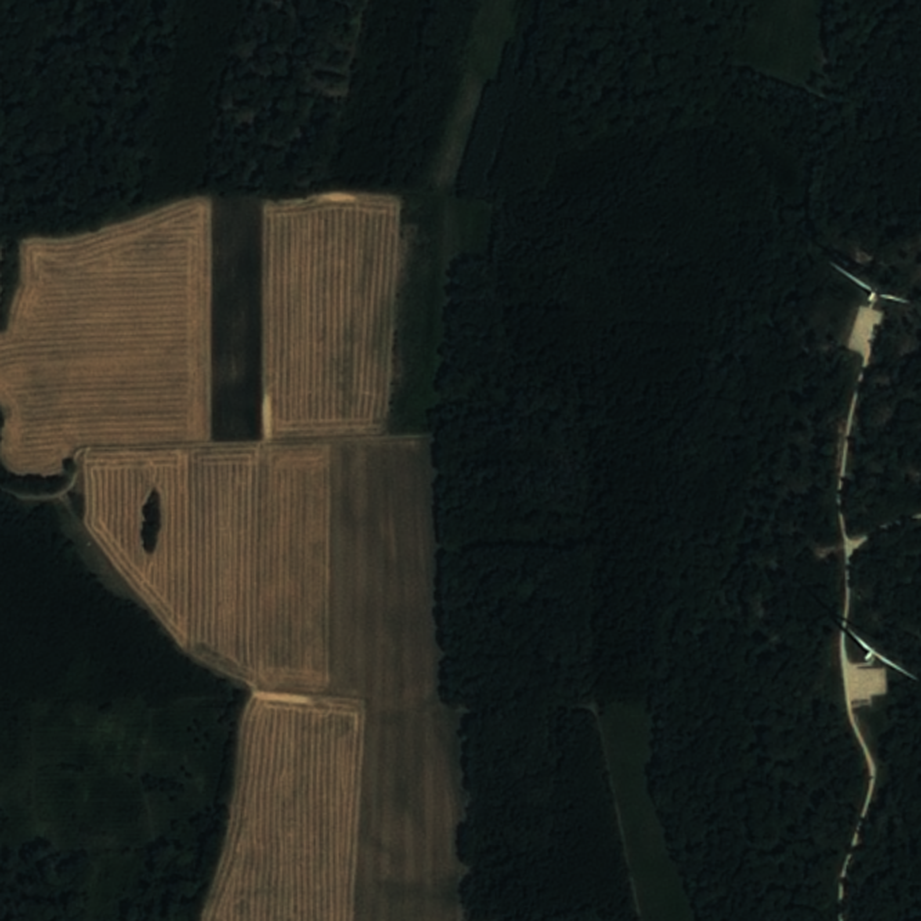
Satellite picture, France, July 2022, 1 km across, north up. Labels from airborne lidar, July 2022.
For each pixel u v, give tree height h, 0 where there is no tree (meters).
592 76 24
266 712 0
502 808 15
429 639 0
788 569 27
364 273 0
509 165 13
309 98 27
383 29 9
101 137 18
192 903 24
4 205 18
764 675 23
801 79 0
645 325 22
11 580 17
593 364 18
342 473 0
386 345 0
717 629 26
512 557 23
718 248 18
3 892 25
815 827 23
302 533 0
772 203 18
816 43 0
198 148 14
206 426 0
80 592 16
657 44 20
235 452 0
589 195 11
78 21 25
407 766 0
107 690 12
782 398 31
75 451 0
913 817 26
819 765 17
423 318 0
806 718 19
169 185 10
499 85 13
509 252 15
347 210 0
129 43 21
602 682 11
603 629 17
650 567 19
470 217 0
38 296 0
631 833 0
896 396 21
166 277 0
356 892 0
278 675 0
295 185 20
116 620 13
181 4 22
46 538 16
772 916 23
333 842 0
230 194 12
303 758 0
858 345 0
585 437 16
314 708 0
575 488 19
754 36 0
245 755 0
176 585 0
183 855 27
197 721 9
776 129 8
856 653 0
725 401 27
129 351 0
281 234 0
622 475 20
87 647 17
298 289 0
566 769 14
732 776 23
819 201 18
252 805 0
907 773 22
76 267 0
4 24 21
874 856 19
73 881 24
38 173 24
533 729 16
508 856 7
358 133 10
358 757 0
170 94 11
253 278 0
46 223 19
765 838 23
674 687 24
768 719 29
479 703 18
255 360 0
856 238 21
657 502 14
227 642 0
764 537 24
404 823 0
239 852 0
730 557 22
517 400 36
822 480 14
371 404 0
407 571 0
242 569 0
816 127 8
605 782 13
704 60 24
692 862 22
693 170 15
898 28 20
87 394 0
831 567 23
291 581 0
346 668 0
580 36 24
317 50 21
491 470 25
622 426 18
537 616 27
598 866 16
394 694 0
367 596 0
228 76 18
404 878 0
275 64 28
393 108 8
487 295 25
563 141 21
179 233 0
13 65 25
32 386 0
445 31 21
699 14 22
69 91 19
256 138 22
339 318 0
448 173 0
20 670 12
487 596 20
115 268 0
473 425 28
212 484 0
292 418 0
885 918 25
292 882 0
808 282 32
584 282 15
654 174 15
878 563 22
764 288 25
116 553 0
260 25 22
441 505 18
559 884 17
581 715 14
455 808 0
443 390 23
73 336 0
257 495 0
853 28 24
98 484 0
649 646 20
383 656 0
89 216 19
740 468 29
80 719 0
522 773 15
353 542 0
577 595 24
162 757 0
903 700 8
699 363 13
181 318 0
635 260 17
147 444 0
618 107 20
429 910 0
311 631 0
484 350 26
